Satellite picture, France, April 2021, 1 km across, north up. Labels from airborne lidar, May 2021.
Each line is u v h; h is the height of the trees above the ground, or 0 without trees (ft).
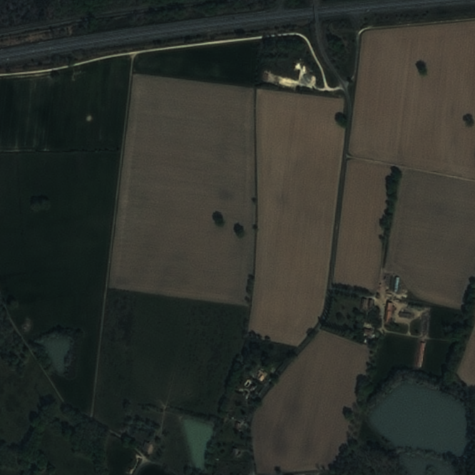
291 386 0
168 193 0
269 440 0
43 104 0
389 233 50
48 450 0
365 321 40
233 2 43
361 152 0
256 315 0
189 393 0
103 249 0
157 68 0
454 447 0
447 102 0
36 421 73
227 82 0
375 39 0
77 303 0
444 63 0
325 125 0
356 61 0
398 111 0
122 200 0
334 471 57
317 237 0
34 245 0
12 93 0
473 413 57
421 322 0
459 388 42
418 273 0
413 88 0
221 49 0
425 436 0
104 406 0
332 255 0
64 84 0
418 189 0
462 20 0
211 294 0
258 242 0
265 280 0
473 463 84
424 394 0
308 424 0
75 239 0
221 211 0
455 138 0
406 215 0
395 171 47
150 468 0
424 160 0
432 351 0
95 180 0
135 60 0
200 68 0
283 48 63
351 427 28
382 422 0
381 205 0
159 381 0
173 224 0
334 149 0
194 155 0
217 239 0
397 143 0
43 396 0
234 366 43
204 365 0
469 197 0
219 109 0
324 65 35
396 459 74
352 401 0
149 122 0
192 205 0
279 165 0
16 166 0
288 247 0
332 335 0
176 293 0
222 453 35
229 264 0
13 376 0
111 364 0
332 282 0
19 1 28
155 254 0
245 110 0
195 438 0
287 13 0
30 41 0
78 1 67
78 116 0
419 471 0
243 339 23
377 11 0
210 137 0
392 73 0
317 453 0
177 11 73
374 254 0
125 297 0
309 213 0
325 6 0
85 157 0
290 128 0
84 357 0
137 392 0
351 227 0
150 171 0
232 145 0
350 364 0
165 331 0
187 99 0
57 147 0
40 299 0
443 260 0
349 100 0
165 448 37
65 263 0
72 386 0
